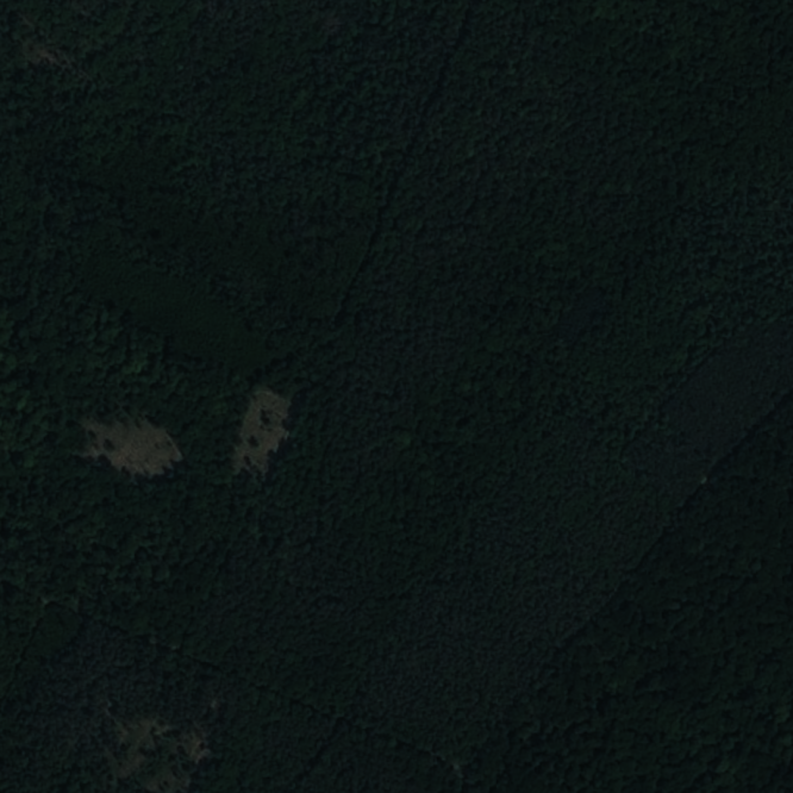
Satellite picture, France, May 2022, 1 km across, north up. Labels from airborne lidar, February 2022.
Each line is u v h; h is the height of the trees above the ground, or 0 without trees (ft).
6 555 102
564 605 84
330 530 82
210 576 84
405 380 87
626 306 74
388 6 70
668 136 80
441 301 93
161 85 81
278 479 80
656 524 72
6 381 101
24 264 86
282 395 75
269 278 39
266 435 0
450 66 82
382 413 102
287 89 52
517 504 73
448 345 99
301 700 53
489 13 87
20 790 25
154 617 87
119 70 71
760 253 55
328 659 72
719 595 102
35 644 34
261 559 87
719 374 52
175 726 46
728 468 90
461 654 68
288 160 76
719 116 80
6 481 94
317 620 77
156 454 0
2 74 91
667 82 77
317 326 83
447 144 82
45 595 68
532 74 92
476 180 85
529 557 63
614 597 82
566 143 83
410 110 81
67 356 93
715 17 94
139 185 32
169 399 75
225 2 84
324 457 85
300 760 36
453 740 61
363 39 52
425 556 68
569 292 74
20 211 56
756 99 76
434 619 70
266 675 74
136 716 80
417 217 87
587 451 68
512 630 75
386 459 78
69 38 67
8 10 39
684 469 48
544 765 108
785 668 84
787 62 66
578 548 73
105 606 85
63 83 80
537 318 79
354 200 79
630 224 80
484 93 83
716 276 65
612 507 74
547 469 66
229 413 74
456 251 77
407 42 66
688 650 98
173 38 71
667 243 70
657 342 54
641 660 89
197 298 52
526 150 83
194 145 73
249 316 55
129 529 85
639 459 50
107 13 76
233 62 80
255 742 63
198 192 67
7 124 88
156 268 43
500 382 85
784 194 22
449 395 75
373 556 89
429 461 82
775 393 47
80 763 23
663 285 65
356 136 67
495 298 79
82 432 77
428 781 82
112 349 98
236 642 74
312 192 72
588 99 84
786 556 96
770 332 51
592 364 73
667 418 44
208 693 76
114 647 96
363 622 71
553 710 86
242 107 81
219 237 39
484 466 78
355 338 87
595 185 85
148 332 94
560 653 78
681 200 87
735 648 91
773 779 94
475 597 65
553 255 85
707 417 45
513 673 71
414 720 76
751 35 89
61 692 88
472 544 73
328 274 84
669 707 96
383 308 86
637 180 89
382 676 76
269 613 93
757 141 42
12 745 19
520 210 75
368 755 86
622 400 66
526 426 71
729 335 46
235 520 87
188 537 98
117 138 75
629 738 77
